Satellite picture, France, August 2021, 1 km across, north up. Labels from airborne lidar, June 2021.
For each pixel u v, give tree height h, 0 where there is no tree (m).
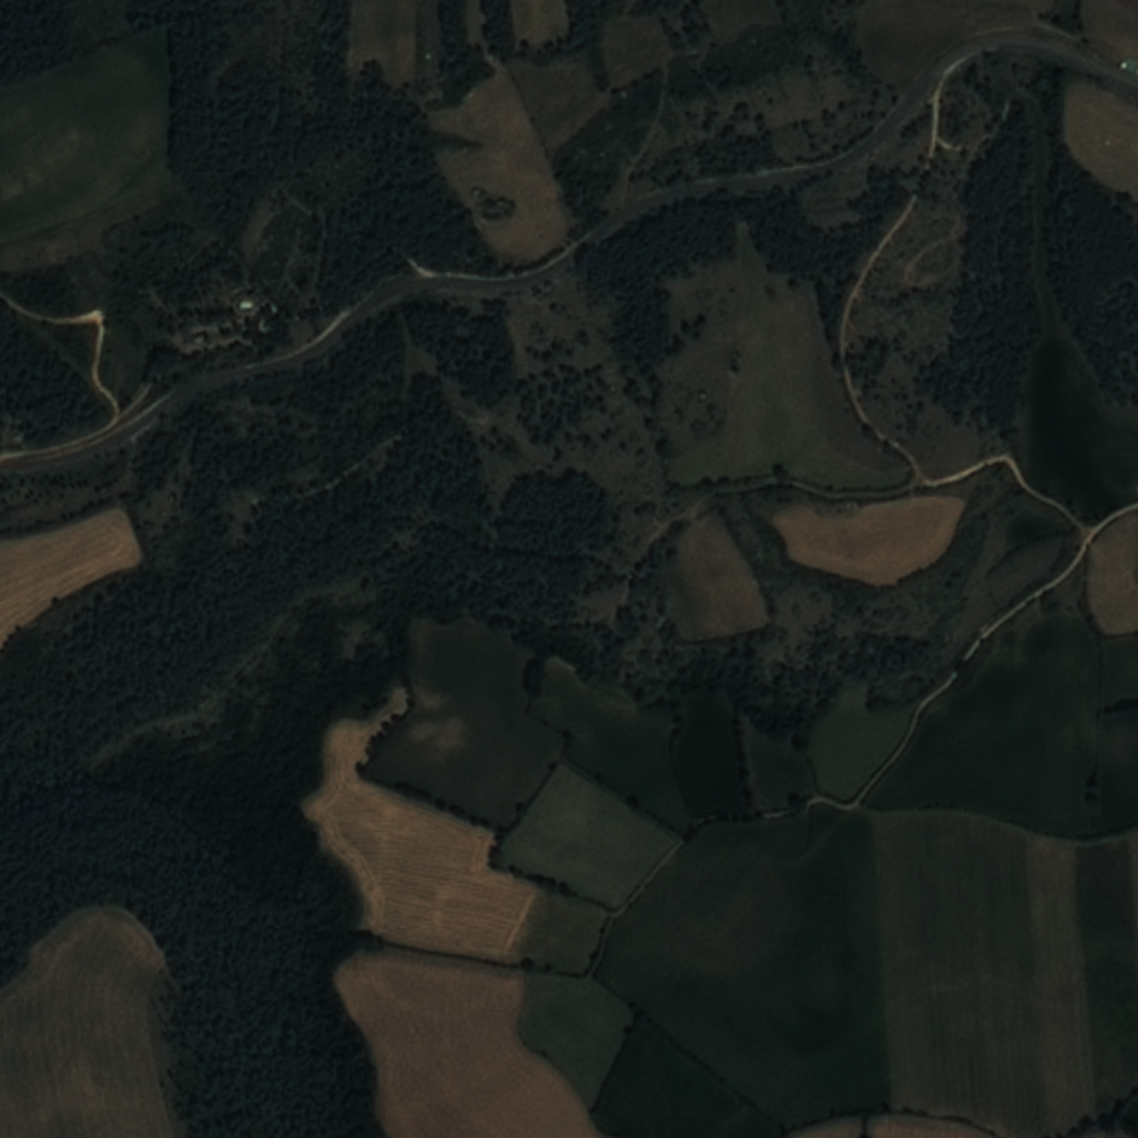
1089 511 0
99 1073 0
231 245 9
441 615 20
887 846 0
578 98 0
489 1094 0
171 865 18
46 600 0
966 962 0
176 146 13
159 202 0
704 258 14
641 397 8
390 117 15
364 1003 0
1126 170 0
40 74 11
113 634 15
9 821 19
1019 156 11
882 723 0
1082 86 0
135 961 0
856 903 0
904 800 0
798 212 15
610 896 0
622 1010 0
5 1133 0
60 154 0
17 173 0
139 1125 0
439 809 10
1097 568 0
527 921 0
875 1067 0
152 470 10
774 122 0
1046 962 0
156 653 16
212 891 24
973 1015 0
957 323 11
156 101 0
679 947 0
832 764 0
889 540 0
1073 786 0
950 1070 0
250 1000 17
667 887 0
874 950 0
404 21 0
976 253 15
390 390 9
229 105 10
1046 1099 0
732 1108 0
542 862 0
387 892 0
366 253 18
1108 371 12
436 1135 0
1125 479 0
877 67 0
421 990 0
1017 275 13
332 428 7
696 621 0
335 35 6
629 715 0
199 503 9
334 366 12
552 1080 0
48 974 0
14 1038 0
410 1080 0
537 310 0
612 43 0
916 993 0
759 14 0
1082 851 0
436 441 7
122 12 0
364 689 16
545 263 7
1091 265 13
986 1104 0
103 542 0
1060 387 0
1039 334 12
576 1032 0
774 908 0
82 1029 0
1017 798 0
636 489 0
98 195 0
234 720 12
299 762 11
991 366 12
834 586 6
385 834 0
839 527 0
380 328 9
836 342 13
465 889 0
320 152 14
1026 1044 0
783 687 12
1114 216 14
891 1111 13
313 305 8
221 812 19
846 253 11
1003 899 0
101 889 10
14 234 0
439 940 0
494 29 14
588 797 0
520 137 0
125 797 17
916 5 0
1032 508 0
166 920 16
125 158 0
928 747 0
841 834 0
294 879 12
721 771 0
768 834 0
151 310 9
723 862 0
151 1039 0
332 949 11
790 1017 0
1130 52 0
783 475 13
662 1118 0
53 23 12
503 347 18
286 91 9
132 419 0
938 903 0
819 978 0
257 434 9
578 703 0
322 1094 17
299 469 10
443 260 14
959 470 0
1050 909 0
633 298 15
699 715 0
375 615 7
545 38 0
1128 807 0
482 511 9
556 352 7
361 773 12
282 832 15
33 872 16
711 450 0
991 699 0
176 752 11
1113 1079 0
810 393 0
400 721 9
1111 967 0
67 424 10
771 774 0
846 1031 0
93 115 0
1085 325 14
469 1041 0
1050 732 0
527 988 0
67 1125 0
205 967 13
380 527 17
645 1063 0
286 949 16
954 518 0
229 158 7
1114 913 0
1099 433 0
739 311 0
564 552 8
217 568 10
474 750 0
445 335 14
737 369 10
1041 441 0
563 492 16
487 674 0
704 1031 0
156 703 13
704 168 7
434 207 14
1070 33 0
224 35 8
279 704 8
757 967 0
